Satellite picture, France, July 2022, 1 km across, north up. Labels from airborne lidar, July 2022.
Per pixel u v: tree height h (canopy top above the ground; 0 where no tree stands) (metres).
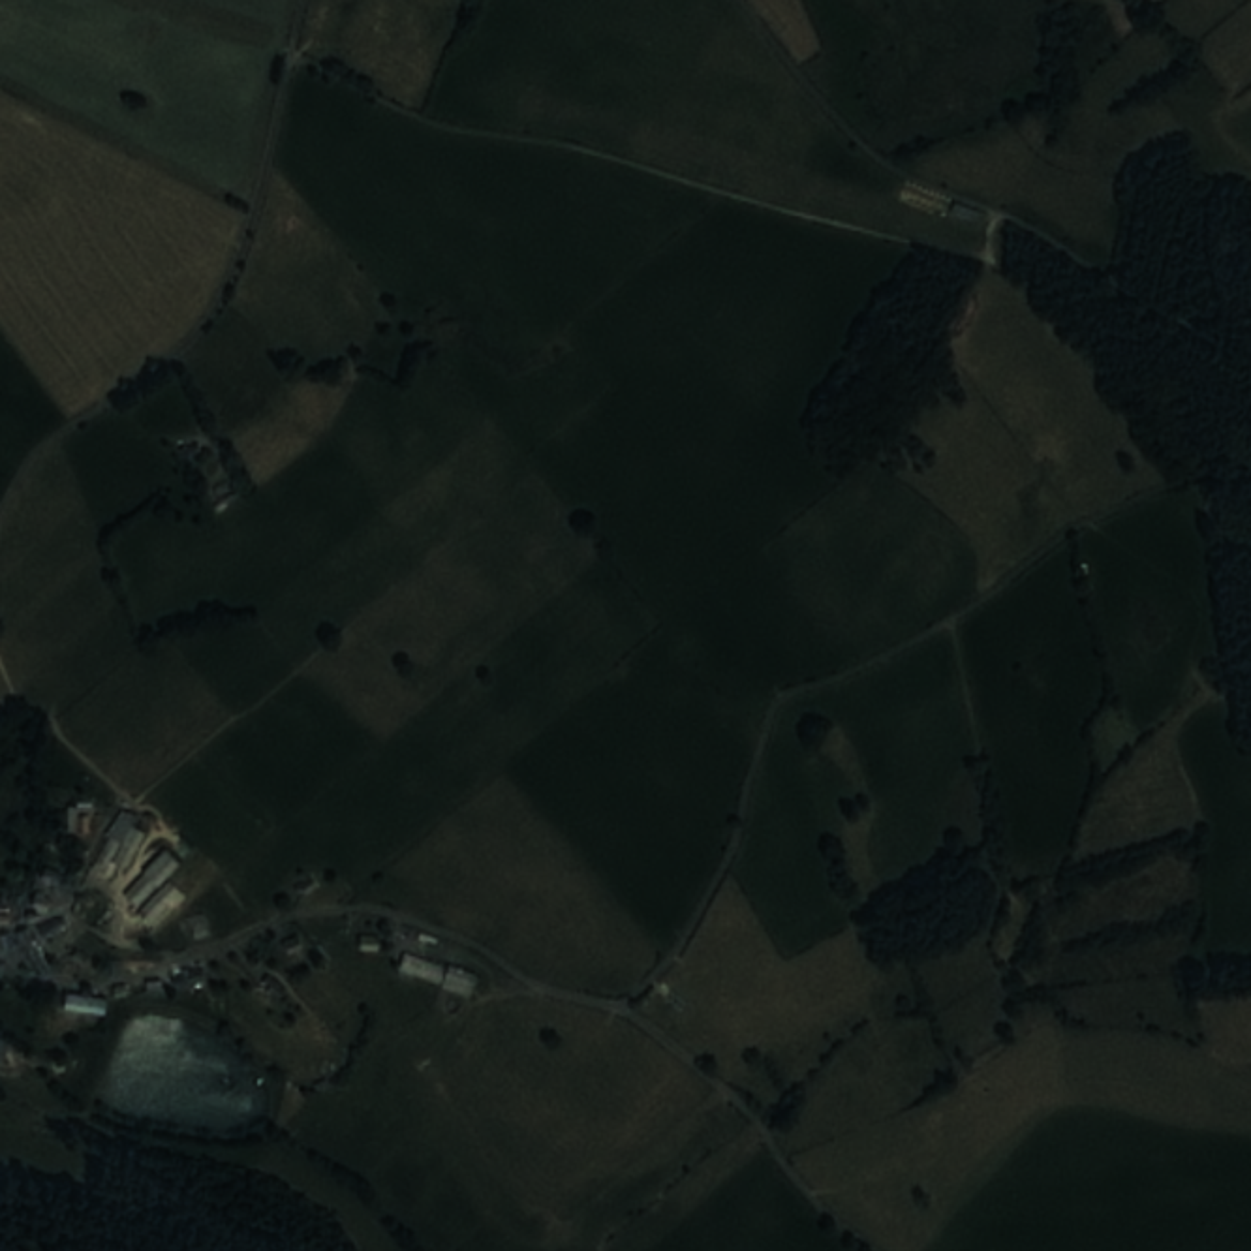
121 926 0
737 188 0
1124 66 0
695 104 0
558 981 0
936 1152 0
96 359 0
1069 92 22
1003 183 0
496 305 0
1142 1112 0
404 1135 0
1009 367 0
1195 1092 0
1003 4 0
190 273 0
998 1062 0
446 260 0
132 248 0
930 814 0
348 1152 0
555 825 0
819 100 0
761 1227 0
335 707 0
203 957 0
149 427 0
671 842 0
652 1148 0
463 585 0
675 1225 0
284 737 0
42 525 0
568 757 0
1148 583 0
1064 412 0
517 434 0
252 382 0
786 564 0
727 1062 0
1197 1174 0
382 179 0
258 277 0
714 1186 0
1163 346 20
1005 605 0
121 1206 28
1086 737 9
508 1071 0
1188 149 16
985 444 0
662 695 0
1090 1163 0
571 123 0
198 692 0
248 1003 0
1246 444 24
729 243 0
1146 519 0
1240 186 18
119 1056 0
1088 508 0
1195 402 15
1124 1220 0
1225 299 29
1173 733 0
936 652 0
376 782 0
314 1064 0
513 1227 0
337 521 0
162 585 0
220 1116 0
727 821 6
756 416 0
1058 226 0
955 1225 0
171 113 0
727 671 0
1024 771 0
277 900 10
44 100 0
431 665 0
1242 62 0
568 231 0
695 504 0
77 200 0
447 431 0
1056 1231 0
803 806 0
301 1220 11
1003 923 13
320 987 0
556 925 0
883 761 0
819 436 19
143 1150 12
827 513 0
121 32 0
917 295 20
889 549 0
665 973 0
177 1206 30
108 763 0
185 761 0
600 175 0
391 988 0
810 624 0
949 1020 0
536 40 0
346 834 0
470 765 0
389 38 0
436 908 0
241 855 0
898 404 21
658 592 0
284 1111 0
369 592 0
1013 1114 0
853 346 14
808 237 0
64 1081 0
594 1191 0
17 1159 0
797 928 0
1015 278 16
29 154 0
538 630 0
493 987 0
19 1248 32
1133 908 0
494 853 0
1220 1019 0
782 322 0
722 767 0
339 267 0
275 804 0
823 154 0
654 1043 0
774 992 0
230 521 0
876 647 0
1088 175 0
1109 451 0
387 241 0
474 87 0
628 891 0
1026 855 0
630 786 0
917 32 0
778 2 0
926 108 0
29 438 0
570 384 0
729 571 0
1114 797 0
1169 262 17
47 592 0
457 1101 0
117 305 0
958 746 0
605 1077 0
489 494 0
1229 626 28
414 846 0
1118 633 0
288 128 0
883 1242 0
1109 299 22
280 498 0
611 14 0
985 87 0
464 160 0
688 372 0
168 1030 0
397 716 0
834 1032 0
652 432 0
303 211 0
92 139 0
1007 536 0
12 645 0
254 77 0
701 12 0
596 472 0
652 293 0
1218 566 23
